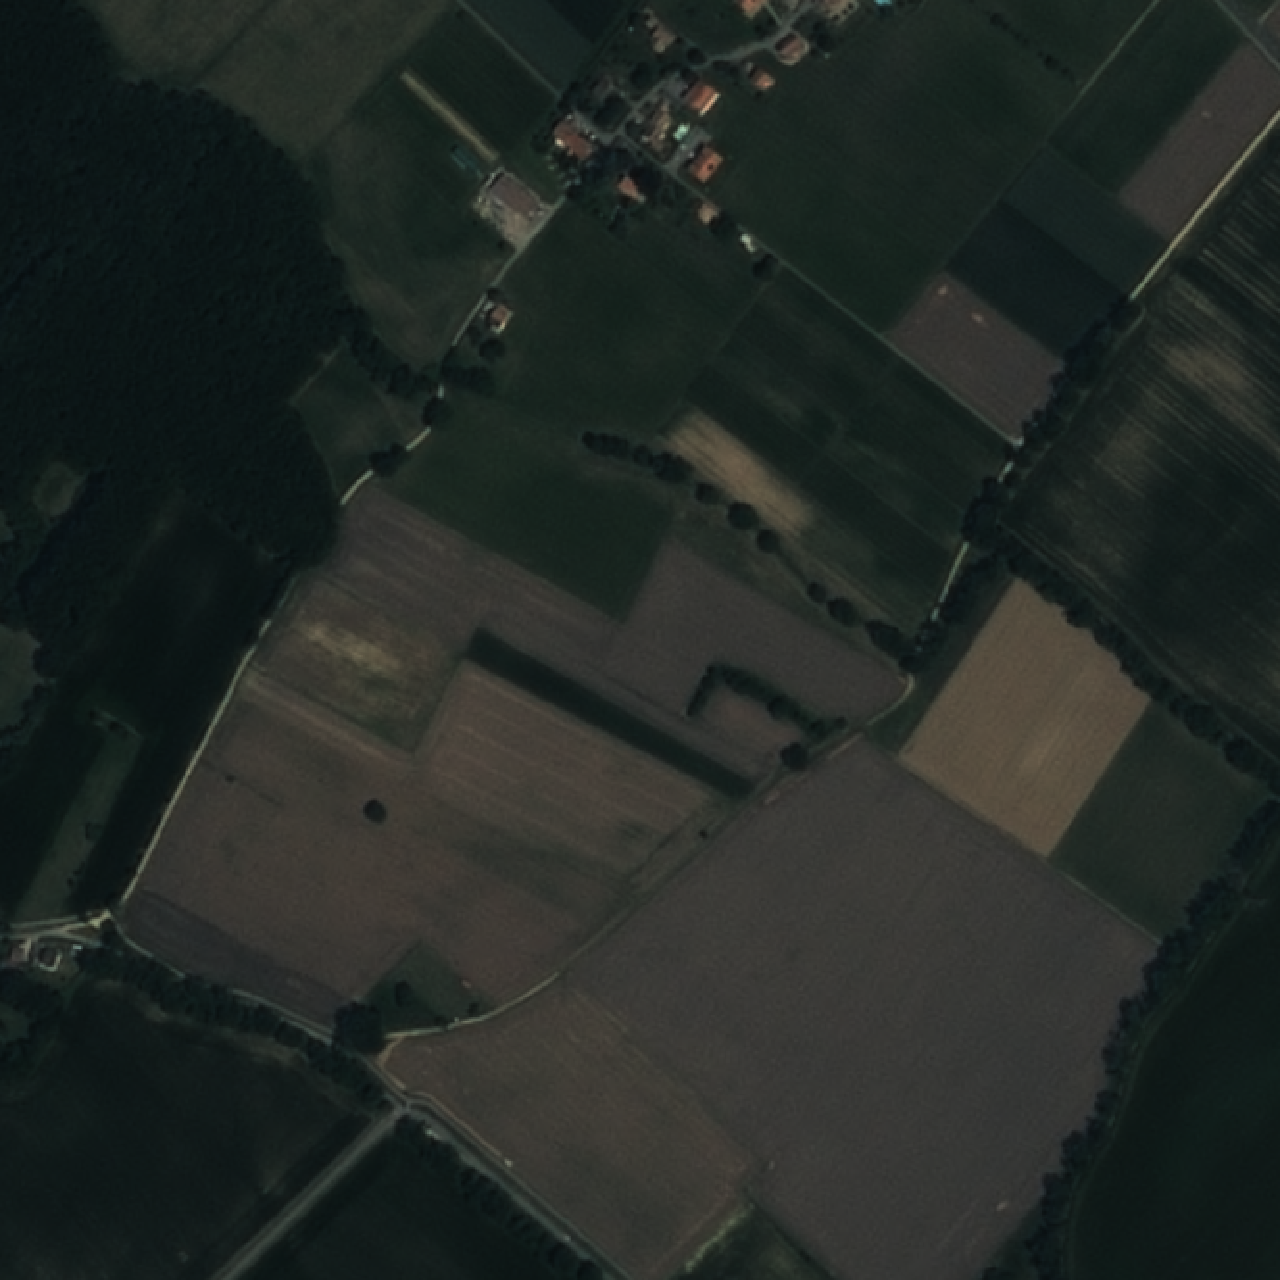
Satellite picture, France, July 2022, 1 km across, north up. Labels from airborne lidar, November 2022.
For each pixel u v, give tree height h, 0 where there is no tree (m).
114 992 0
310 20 0
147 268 26
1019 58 0
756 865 0
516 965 0
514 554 0
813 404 0
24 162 27
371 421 0
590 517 0
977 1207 0
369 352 21
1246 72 0
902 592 0
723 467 0
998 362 0
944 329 0
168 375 29
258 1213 0
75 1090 0
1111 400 0
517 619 0
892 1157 0
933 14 0
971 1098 0
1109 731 0
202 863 0
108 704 0
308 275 24
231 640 0
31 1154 0
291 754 0
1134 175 0
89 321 29
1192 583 0
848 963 0
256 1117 0
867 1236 0
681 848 0
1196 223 0
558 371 0
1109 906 0
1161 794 0
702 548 0
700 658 0
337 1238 0
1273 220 0
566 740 0
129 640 0
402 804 0
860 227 0
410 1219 0
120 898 10
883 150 0
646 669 0
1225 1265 0
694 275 0
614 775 0
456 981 0
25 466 28
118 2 0
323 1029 0
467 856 0
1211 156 0
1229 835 0
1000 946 0
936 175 0
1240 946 0
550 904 0
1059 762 0
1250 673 0
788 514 0
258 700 0
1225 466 0
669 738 0
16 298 21
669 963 0
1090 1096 0
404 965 0
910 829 0
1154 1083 0
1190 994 0
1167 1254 0
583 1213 0
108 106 26
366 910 0
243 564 0
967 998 0
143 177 26
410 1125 15
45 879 0
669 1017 0
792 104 0
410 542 0
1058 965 0
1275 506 0
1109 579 0
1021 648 0
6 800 0
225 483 28
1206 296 0
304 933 0
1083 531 0
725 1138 0
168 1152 0
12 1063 18
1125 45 0
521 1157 0
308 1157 0
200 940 0
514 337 0
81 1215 0
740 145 0
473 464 0
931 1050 0
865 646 0
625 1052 0
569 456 0
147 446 28
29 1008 23
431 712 0
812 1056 0
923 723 0
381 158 0
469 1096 0
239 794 0
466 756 0
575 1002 0
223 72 0
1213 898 25
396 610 0
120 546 27
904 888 0
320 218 21
